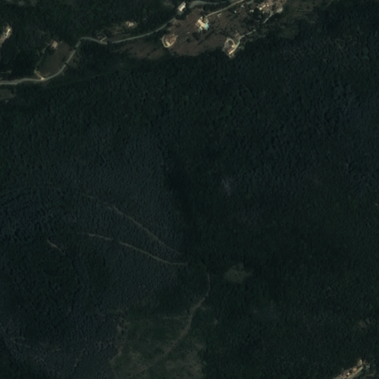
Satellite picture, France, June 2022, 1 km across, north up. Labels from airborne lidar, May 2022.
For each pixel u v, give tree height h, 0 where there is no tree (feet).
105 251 44
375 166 83
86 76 24
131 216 32
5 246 78
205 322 21
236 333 32
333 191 54
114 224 28
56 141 57
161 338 24
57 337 39
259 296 34
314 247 39
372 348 68
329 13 42
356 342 48
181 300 29
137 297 22
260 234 26
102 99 23
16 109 50
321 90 33
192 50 0
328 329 40
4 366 56
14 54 59
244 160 24
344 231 49
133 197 27
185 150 59
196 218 58
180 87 52
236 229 36
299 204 46
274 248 18
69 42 37
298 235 25
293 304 52
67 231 57
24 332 56
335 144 59
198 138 55
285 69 33
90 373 55
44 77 0
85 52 36
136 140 50
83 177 30
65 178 41
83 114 59
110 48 47
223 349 26
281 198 51
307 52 49
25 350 48
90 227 38
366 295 71
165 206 61
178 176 55
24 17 57
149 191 38
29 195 42
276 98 54
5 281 45
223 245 53
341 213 52
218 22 0
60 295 64
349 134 69
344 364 52
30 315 73
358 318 53
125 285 43
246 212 30
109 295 48
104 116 43
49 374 35
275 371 52
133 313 22
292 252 51
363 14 39
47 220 81
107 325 54
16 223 77
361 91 70
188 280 52
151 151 64
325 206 52
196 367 0
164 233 47
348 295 64
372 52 53
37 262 70
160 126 63
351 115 86
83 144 55
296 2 0
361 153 78
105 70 23
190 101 36
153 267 41
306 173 33
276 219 35
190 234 53
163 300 35
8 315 42
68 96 40
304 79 54
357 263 64
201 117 43
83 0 39
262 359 58
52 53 33
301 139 29
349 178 92
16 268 72
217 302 40
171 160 61
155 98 41
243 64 31
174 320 20
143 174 53
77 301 57
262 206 32
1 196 28
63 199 75
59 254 35
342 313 67
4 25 32
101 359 48
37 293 73
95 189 42
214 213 45
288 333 59
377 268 72
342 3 22
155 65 49
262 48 29
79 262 49
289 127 20
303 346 55
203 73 21
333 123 76
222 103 41
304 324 43
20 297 70
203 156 73
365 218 61
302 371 73
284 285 54
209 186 44
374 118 75
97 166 30
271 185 20
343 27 48
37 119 31
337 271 70
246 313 25
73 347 27
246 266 37
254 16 22
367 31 52
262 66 31
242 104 53
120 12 34
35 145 33
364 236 32
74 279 57
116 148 35
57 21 40
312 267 65
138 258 33
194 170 65
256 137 41
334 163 64
